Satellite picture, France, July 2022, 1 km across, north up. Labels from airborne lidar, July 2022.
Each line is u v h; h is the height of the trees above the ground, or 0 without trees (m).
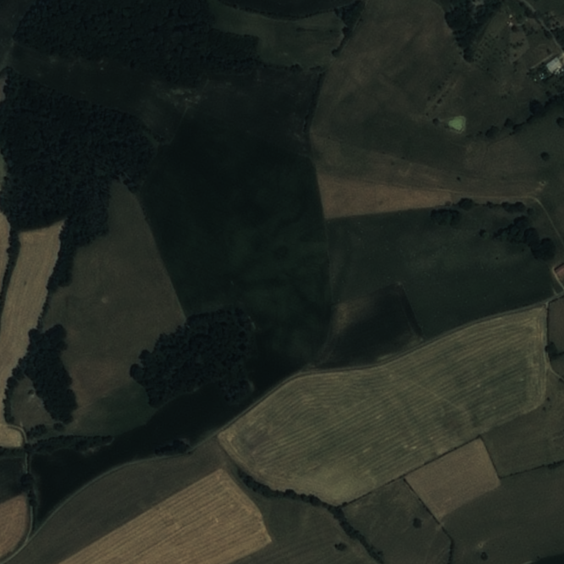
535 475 0
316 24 0
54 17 28
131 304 0
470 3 17
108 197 13
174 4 31
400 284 0
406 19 0
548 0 0
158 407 13
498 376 0
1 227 0
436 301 0
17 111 24
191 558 0
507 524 0
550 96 8
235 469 0
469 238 0
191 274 0
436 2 0
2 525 0
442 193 0
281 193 0
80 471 0
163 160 0
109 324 0
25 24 13
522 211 14
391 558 0
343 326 0
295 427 0
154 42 27
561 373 0
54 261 0
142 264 0
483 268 0
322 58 0
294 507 0
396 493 0
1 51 0
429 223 0
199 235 0
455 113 0
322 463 0
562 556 0
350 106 0
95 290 0
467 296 0
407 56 0
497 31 0
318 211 0
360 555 0
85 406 0
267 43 0
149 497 0
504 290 0
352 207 0
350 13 16
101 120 21
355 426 0
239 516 0
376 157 0
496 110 0
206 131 0
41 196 27
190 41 31
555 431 0
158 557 0
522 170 0
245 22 0
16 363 0
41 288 0
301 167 0
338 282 0
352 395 0
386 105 0
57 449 6
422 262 0
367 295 0
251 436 0
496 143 0
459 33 14
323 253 0
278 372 0
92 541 0
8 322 0
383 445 0
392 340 0
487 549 0
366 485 0
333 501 0
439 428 0
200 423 0
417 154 0
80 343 0
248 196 0
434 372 0
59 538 0
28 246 0
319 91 6
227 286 0
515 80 0
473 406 0
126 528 0
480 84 0
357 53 0
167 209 0
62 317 0
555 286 0
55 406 20
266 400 0
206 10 24
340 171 0
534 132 0
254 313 0
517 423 0
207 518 0
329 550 0
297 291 0
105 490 0
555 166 0
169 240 0
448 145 0
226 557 0
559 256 0
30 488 13
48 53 13
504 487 0
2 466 0
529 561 0
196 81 17
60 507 0
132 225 0
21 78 11
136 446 0
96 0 26
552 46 0
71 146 31
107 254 0
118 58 24
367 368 0
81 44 21
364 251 0
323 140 0
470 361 0
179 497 0
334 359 0
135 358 0
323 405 0
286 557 0
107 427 0
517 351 0
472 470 0
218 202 0
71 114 20
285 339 0
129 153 31
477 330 0
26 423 0
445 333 0
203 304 0
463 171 0
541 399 0
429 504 0
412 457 0
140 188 6
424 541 0
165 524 0
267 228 0
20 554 0
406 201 0
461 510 0
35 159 19
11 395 17
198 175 0
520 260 0
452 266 0
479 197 0
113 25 31
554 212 0
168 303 0
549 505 0
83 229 19
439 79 0
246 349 24
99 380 0
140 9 24
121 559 0
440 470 0
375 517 0
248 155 0
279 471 0
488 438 0
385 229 0
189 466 0
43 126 31
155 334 0
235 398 21
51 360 24
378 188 0
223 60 12
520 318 0
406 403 0
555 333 0
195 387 20
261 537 0
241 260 0
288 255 0
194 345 20
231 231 0
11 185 25
